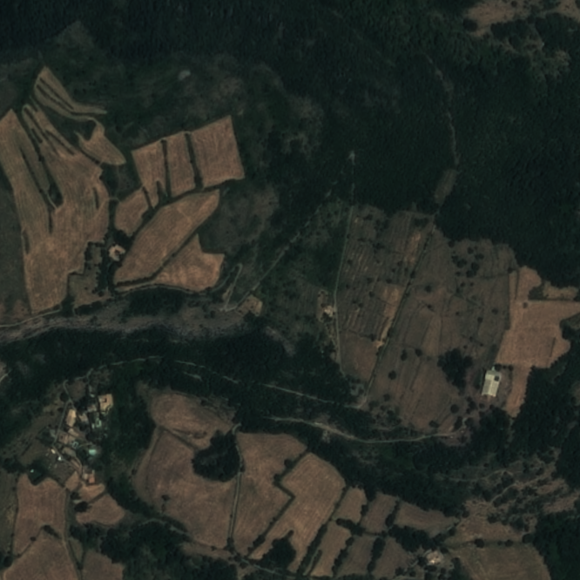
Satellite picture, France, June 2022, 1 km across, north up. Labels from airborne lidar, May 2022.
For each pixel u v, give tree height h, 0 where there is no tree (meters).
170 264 0
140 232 0
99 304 7
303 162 5
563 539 19
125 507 10
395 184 11
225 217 0
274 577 9
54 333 6
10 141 0
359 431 13
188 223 0
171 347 9
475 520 0
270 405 14
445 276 0
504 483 11
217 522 0
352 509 0
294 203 9
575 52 17
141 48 13
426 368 0
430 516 0
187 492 0
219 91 0
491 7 0
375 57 9
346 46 11
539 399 15
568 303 0
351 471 11
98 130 0
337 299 0
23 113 0
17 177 0
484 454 10
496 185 10
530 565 0
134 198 0
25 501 0
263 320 7
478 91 13
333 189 9
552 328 0
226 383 7
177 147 0
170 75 0
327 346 7
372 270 0
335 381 7
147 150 0
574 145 13
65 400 14
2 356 11
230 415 0
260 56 9
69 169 0
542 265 12
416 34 12
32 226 0
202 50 8
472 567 0
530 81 15
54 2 12
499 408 10
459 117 8
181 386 13
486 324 0
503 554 0
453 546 0
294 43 7
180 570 10
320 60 10
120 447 8
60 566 0
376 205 11
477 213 13
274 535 0
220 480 10
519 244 11
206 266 0
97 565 0
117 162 0
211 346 12
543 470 12
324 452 11
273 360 9
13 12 16
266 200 0
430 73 8
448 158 10
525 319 0
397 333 0
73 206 0
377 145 10
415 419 0
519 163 19
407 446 11
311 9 9
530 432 14
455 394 0
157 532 14
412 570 6
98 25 11
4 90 0
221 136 0
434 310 0
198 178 8
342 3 13
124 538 8
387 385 0
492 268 0
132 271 0
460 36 9
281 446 0
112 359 8
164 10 11
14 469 9
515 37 14
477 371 0
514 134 11
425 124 11
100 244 9
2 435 14
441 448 12
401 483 15
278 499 0
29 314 0
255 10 15
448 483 7
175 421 0
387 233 0
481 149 8
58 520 0
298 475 0
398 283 0
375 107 8
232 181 8
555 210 15
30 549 0
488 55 7
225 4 12
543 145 17
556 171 17
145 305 11
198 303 7
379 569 0
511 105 13
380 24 16
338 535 0
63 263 0
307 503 0
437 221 10
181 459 0
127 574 8
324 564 0
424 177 11
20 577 0
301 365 7
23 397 11
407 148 10
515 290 0
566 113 19
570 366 12
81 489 0
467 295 0
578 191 15
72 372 11
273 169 6
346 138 6
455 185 8
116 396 9
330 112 6
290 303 0
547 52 10
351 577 12
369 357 0
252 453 0
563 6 0
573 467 13
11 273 0
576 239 7
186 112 0
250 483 0
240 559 10
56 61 0
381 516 0
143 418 12
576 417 18
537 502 9
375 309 0
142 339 7
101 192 0
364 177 10
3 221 0
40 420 0
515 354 0
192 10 19
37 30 15
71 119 0
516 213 12
